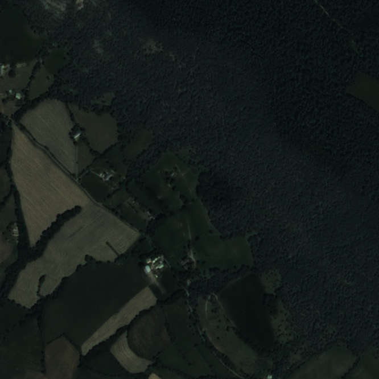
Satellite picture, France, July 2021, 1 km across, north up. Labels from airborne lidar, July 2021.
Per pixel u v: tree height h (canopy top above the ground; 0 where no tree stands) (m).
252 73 11
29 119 0
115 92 8
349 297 7
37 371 0
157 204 15
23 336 0
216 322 0
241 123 10
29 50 0
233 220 11
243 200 13
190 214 0
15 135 0
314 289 12
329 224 10
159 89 11
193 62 9
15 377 0
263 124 12
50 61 0
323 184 11
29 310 10
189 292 14
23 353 0
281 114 13
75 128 10
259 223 10
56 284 0
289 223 6
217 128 10
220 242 0
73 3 7
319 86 10
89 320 0
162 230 0
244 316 0
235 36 26
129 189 11
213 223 10
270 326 0
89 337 0
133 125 16
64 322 0
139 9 9
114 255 0
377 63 31
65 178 0
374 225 13
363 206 12
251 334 0
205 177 16
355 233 9
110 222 0
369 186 25
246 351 0
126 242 0
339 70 29
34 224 0
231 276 11
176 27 14
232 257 0
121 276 0
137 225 0
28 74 0
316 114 29
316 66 36
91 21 10
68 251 0
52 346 0
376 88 0
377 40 23
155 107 14
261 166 9
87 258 15
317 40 32
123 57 8
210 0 17
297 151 8
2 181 0
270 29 28
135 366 0
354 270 6
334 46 33
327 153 9
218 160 8
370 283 12
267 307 10
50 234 16
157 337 0
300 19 29
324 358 0
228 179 16
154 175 0
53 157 7
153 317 0
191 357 0
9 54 0
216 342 0
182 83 13
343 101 28
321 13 24
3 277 0
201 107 12
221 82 14
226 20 21
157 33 9
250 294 0
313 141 19
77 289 0
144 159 13
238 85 13
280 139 8
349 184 15
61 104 0
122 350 0
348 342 9
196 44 12
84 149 0
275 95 30
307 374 0
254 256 15
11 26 0
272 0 22
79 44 11
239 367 0
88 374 0
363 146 17
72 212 10
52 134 0
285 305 9
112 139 0
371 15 11
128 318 0
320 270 7
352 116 21
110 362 0
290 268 12
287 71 19
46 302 9
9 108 0
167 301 12
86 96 13
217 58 15
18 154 0
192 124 14
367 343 8
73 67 11
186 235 0
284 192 10
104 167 0
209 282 14
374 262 10
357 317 9
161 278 0
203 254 0
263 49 31
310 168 11
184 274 20
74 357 0
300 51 31
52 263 0
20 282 0
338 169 9
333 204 6
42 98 9
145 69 10
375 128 19
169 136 12
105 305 0
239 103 13
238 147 9
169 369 8
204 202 16
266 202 10
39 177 0
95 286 0
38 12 7
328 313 10
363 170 21
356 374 0
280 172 11
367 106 20
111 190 0
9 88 0
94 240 0
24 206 0
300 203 10
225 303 0
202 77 15
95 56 6
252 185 10
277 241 16
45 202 0
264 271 12
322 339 7
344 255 9
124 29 6
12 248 0
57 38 12
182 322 0
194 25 17
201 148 8
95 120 0
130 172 14
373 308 12
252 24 26
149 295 0
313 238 10
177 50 9
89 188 0
